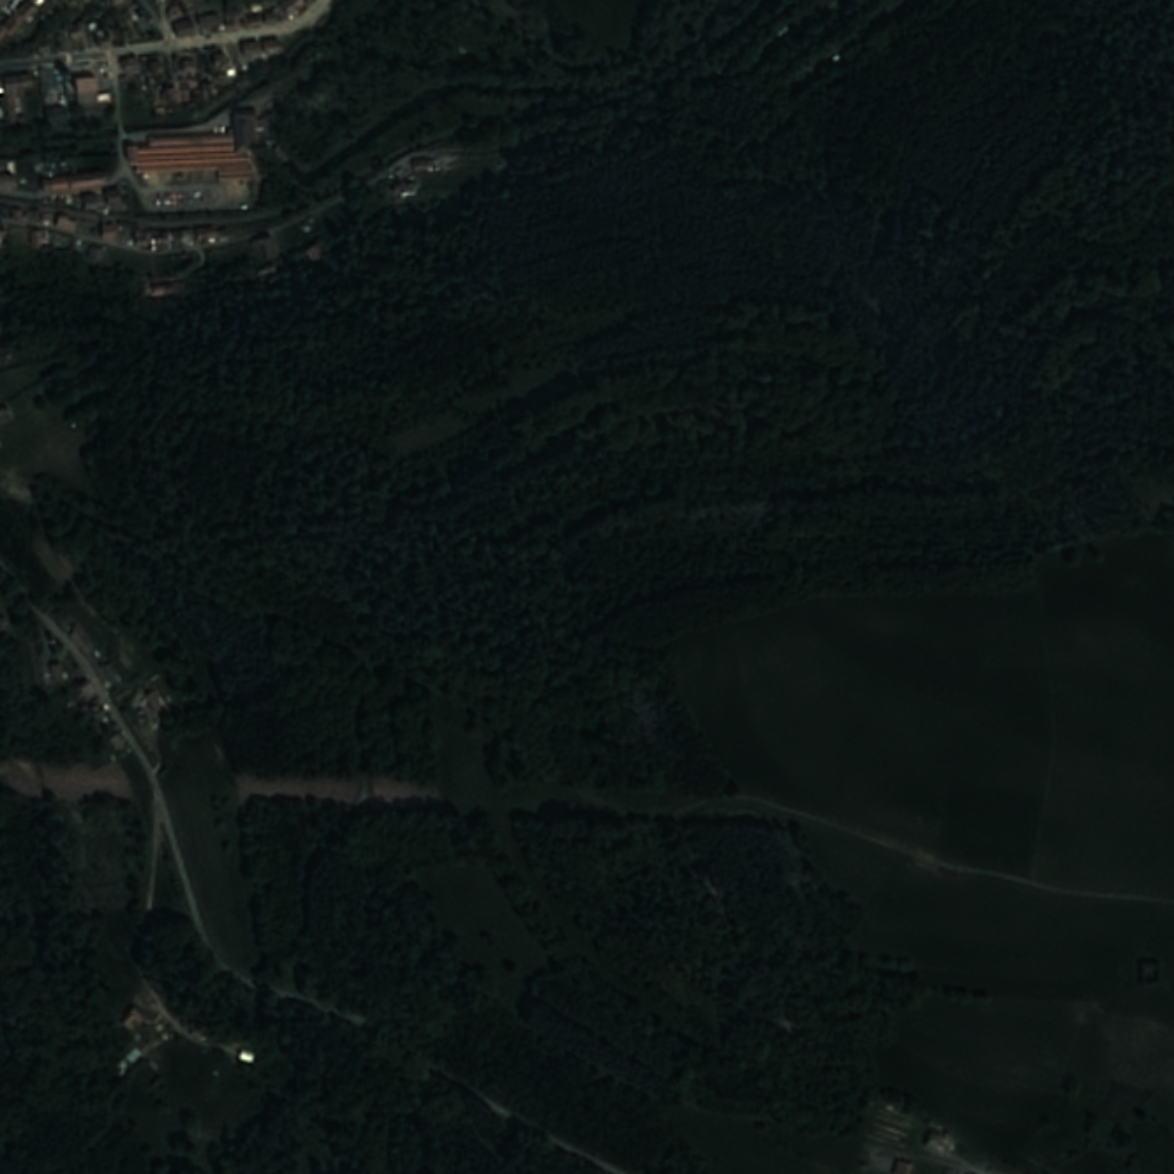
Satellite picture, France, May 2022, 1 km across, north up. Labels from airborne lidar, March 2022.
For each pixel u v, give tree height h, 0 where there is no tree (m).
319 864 14
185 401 16
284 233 0
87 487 0
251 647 26
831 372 21
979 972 0
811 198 20
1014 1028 0
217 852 0
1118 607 0
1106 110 14
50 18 6
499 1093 17
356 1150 26
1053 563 0
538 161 19
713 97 18
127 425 16
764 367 8
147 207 0
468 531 14
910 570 17
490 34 19
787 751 0
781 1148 8
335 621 10
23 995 33
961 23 16
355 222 21
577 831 33
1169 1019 0
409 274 21
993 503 25
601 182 20
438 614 11
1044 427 30
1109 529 22
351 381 8
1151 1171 0
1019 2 12
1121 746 0
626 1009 21
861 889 0
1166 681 0
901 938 0
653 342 14
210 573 19
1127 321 28
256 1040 26
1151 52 24
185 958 20
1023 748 0
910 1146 0
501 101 11
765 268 23
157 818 0
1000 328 29
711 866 22
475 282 27
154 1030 0
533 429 27
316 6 0
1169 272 30
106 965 0
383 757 19
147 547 18
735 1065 20
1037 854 0
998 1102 0
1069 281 25
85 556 15
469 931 0
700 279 25
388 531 24
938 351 6
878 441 26
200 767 0
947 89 14
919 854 0
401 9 13
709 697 0
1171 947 0
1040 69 18
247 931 0
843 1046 24
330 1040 30
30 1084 19
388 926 19
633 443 14
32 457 0
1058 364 31
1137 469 27
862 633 0
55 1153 19
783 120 19
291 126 19
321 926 14
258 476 19
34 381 0
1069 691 0
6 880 25
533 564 11
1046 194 27
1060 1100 0
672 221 18
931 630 0
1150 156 18
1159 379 27
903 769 0
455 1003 28
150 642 17
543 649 23
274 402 22
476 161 0
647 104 16
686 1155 16
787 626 0
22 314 9
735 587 16
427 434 0
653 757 22
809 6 7
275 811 11
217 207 0
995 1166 0
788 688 0
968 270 11
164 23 0
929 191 12
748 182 25
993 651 0
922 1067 0
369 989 21
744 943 19
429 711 14
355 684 16
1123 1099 0
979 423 35
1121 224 20
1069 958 0
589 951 0
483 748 0
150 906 0
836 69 11
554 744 29
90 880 0
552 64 24
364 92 26
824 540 10
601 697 26
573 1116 18
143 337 9
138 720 0
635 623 18
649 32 24
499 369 13
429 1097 28
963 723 0
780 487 13
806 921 12
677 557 6
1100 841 0
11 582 13
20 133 18
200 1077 0
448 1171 24
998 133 11
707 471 11
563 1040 23
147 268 0
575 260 23
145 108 0
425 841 21
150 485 17
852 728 0
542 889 0
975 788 0
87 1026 22
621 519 24
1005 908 0
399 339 9
